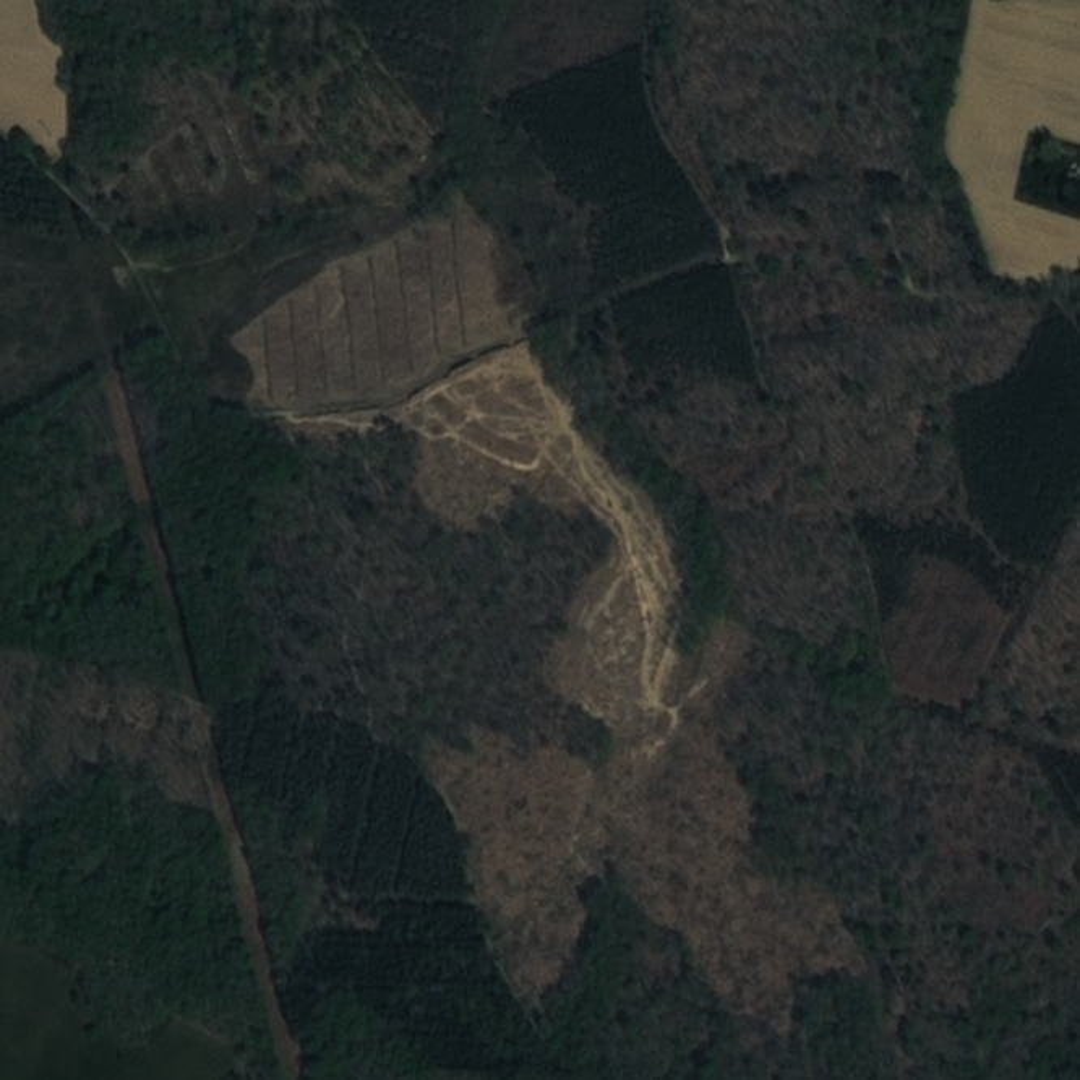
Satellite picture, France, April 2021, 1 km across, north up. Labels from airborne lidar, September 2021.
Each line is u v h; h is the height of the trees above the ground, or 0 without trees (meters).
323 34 18
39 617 19
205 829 20
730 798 0
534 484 0
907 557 7
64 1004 0
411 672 16
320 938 18
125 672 18
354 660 8
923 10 20
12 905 22
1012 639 13
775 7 16
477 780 0
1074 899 19
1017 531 11
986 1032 8
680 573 19
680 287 13
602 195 11
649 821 0
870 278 21
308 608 14
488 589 15
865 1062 22
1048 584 11
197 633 19
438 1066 15
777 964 0
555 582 15
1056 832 15
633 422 16
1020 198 6
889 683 20
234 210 0
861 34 23
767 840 22
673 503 22
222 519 22
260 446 20
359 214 26
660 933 15
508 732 16
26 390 6
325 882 12
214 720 15
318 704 9
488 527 20
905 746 18
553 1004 22
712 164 16
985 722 15
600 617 0
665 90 6
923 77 15
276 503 20
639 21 10
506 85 10
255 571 17
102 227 17
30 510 16
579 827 0
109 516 18
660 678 0
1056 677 14
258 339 0
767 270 20
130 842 22
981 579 8
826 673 22
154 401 17
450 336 0
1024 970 12
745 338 10
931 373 13
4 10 0
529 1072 20
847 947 0
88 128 18
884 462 13
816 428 16
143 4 19
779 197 19
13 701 20
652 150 13
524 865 0
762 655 15
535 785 0
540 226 8
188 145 0
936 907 8
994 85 0
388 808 19
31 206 20
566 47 7
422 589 13
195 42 16
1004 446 11
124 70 20
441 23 12
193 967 20
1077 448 15
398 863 16
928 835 10
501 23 11
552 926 0
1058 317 10
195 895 25
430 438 0
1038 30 0
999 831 7
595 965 23
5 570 21
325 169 23
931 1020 12
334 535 12
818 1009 20
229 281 0
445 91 8
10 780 23
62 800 25
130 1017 19
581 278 11
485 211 16
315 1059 16
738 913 0
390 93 17
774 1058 13
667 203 15
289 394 0
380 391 0
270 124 12
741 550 16
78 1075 0
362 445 21
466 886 16
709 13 17
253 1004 21
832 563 15
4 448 24
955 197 15
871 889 18
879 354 21
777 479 14
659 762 0
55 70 0
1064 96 0
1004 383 7
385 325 0
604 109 14
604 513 0
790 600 18
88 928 21
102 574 7
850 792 18
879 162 17
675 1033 17
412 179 0
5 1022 0
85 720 15
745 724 21
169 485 19
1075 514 12
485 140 16
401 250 0
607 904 24
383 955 19
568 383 18
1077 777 9
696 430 11
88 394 17
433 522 15
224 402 7
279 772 19
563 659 0
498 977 18
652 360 12
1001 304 15
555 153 14
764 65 18
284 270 0
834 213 15
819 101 17
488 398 0
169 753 17
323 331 0
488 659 11
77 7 19
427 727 13
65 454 21
